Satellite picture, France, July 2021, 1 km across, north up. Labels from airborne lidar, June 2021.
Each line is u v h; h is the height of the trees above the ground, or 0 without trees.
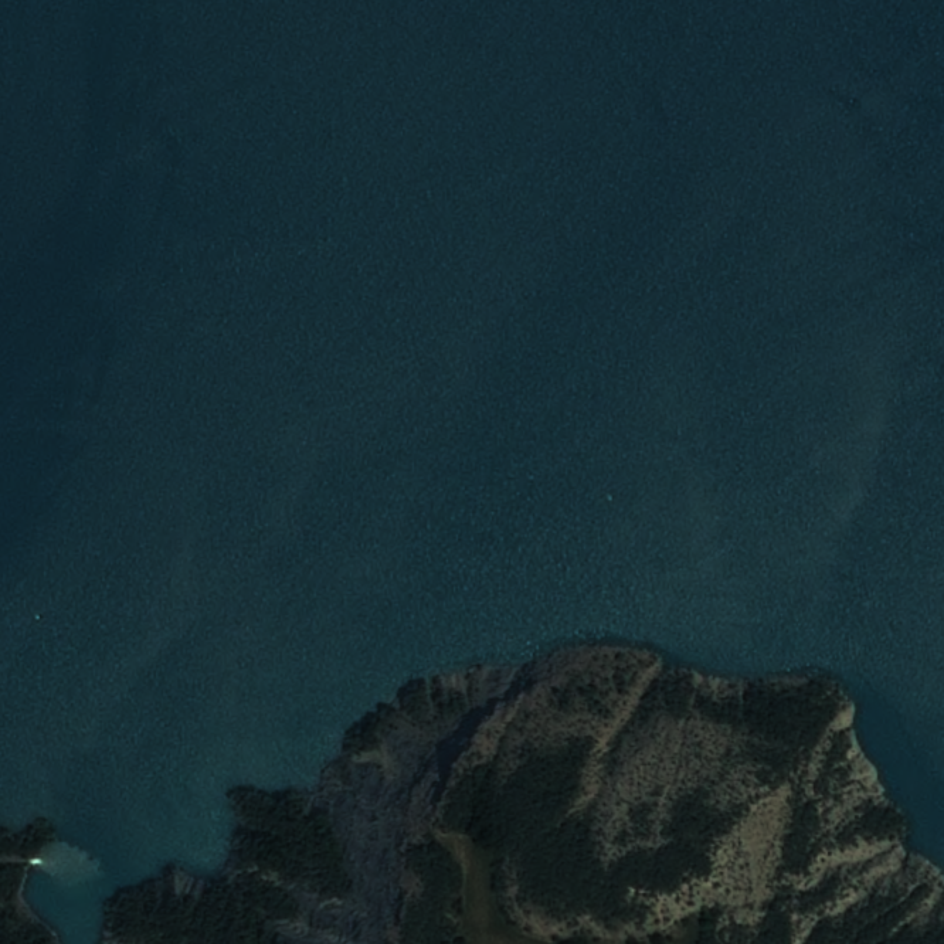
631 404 0
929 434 0
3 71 0
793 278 0
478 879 0
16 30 0
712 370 0
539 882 7
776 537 0
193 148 0
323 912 0
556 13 0
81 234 0
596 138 0
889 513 0
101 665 0
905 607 0
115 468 0
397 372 0
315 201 0
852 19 0
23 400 0
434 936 8
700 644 0
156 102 0
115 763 0
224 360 0
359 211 0
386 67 0
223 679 0
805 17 0
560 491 0
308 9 0
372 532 0
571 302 0
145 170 0
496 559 0
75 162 0
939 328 0
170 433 0
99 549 0
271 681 0
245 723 0
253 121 0
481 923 0
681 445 0
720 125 0
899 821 7
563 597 0
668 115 0
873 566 0
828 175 0
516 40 0
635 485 0
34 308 0
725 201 0
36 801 0
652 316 0
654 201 0
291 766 0
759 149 0
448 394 0
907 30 0
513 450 0
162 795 0
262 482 0
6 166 0
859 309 0
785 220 0
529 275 0
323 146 0
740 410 0
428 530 0
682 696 7
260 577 0
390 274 0
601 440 0
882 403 0
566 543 0
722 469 0
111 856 0
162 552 0
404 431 0
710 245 0
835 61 0
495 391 0
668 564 0
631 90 0
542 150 0
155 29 0
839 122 0
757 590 0
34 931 9
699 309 0
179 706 0
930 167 0
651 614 0
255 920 9
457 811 10
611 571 0
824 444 0
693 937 0
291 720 0
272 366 0
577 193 0
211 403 0
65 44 0
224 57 0
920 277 0
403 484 0
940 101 0
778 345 0
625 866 8
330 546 0
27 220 0
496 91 0
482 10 0
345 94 0
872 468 0
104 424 0
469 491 0
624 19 0
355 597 0
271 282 0
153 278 0
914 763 0
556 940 7
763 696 9
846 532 0
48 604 0
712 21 0
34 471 0
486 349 0
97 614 0
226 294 0
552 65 0
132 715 0
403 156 0
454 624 0
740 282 0
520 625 0
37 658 0
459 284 0
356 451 0
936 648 0
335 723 0
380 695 0
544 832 6
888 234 0
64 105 0
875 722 0
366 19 0
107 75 0
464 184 0
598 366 0
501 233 0
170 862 0
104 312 0
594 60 0
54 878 0
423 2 0
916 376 0
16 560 0
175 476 0
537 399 0
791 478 0
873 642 0
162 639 0
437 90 0
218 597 0
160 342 0
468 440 0
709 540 0
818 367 0
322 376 0
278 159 0
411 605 0
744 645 0
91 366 0
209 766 0
